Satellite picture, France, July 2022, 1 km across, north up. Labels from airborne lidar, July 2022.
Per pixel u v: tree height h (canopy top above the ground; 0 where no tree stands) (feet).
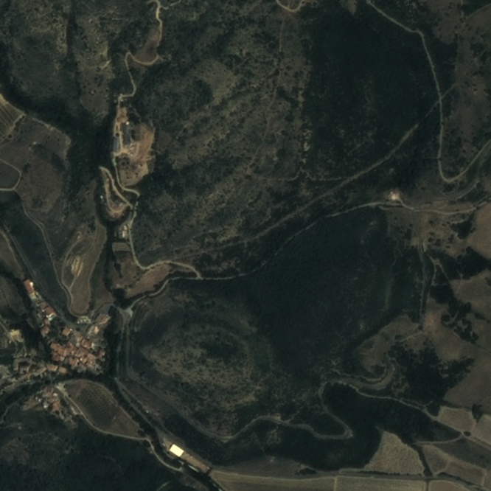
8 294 0
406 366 25
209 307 24
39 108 23
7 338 0
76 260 0
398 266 26
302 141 22
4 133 0
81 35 20
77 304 0
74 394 0
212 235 20
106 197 0
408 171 47
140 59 0
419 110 27
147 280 0
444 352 0
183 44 21
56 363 33
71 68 24
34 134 0
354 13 19
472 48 24
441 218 0
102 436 25
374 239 19
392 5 20
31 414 0
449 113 20
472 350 0
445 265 26
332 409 26
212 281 20
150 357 0
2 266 0
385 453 0
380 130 25
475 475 0
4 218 32
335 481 0
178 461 33
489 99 23
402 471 0
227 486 0
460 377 21
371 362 0
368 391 20
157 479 21
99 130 34
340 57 25
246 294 20
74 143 21
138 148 0
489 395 0
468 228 24
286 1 0
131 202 32
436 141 27
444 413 0
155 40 0
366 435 25
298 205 17
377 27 25
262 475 0
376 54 37
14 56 21
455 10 0
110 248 35
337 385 34
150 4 24
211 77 0
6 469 25
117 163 24
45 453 35
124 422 0
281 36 0
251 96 0
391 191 0
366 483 0
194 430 18
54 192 0
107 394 0
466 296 0
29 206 0
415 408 18
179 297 0
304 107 20
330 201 20
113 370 44
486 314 0
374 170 28
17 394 31
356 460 22
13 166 0
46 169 0
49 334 33
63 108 24
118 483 17
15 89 23
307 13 19
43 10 0
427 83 20
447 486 0
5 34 22
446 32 0
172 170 21
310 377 21
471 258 26
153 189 21
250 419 21
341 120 21
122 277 20
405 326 0
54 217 0
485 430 0
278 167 20
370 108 18
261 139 0
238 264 20
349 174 25
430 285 21
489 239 0
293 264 22
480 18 0
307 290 20
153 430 39
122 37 22
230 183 0
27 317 33
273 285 20
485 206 0
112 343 48
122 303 35
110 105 21
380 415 29
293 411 22
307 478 0
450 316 25
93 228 32
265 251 19
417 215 0
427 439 23
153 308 0
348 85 19
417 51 18
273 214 28
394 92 32
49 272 0
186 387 19
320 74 19
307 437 25
